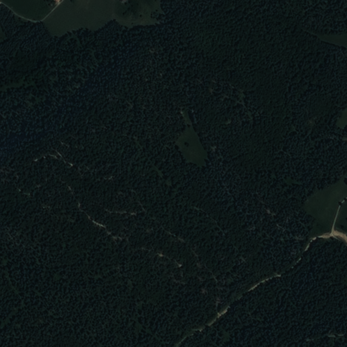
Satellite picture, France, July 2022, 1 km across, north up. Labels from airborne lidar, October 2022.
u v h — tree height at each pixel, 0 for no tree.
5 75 15
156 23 0
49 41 22
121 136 16
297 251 19
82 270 7
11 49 19
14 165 15
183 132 22
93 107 21
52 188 13
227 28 15
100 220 18
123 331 27
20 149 26
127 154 17
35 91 14
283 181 21
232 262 20
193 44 25
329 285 22
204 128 22
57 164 18
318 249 18
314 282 28
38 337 20
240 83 24
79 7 0
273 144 25
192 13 32
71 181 13
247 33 16
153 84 24
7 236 18
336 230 0
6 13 16
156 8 0
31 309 17
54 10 0
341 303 27
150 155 14
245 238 20
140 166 26
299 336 30
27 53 20
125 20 0
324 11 32
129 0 8
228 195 20
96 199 23
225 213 23
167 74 21
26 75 13
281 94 22
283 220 28
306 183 18
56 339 15
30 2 0
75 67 31
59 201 14
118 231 23
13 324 13
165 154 25
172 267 16
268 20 20
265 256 29
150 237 12
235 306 24
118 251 15
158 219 12
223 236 28
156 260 19
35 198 10
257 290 10
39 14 0
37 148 27
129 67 26
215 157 26
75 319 8
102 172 17
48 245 12
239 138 23
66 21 0
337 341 9
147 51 17
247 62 17
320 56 23
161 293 8
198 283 16
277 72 26
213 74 22
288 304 22
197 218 23
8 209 20
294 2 11
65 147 16
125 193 22
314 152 22
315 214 0
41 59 8
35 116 31
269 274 14
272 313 21
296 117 30
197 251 12
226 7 21
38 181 18
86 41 10
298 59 24
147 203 16
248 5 21
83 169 13
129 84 16
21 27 18
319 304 19
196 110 23
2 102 28
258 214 18
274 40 20
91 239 16
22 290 18
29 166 12
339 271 17
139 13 0
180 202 22
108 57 21
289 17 15
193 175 26
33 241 21
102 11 0
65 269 26
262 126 20
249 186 19
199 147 0
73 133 25
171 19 27
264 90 24
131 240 13
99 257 14
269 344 29
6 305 17
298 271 14
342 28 29
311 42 24
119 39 26
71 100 7
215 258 17
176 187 25
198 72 24
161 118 18
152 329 26
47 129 17
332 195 0
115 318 26
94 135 20
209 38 12
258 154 23
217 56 20
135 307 23
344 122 0
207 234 20
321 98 20
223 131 21
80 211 18
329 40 0
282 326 16
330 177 12
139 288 8
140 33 10
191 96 31
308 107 16
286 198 21
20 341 16
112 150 11
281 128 24
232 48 17
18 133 25
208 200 21
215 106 22
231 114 25
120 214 15
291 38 20
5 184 7
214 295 10
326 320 14
